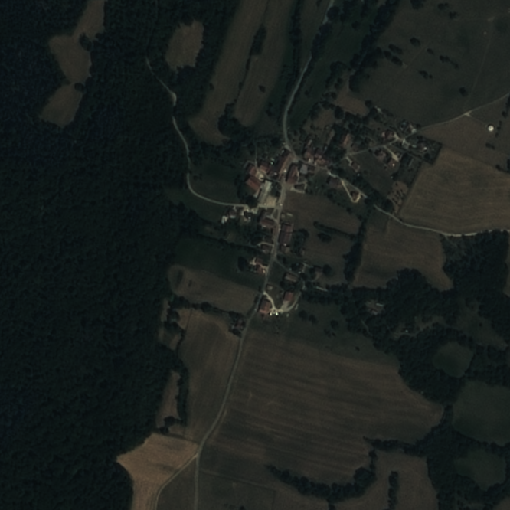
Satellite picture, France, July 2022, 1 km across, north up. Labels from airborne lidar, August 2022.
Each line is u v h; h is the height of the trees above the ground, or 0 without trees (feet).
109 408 78
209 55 91
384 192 0
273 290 0
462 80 0
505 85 0
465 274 53
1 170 54
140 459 0
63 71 33
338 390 0
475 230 0
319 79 0
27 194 54
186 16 85
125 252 77
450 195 0
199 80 64
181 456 0
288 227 0
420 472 0
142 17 51
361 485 43
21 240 71
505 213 0
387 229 0
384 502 0
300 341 0
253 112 0
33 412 54
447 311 30
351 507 0
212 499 0
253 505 0
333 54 0
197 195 0
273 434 0
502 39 0
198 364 0
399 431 0
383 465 0
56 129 60
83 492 62
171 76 70
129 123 35
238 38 0
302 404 0
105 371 89
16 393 70
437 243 0
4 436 81
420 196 0
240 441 0
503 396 0
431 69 0
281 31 0
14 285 56
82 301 75
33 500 76
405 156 35
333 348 0
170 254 85
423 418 0
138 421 68
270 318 0
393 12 51
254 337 0
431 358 46
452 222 0
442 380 51
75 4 30
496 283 56
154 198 73
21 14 68
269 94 0
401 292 54
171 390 0
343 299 51
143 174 39
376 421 0
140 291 71
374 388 0
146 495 0
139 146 30
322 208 0
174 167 33
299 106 0
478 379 32
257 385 0
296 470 0
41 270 55
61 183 66
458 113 0
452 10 0
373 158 0
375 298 41
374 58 58
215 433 0
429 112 0
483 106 0
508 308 43
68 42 0
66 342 72
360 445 0
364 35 0
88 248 65
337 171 37
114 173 56
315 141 20
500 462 0
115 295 93
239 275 0
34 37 60
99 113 94
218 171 0
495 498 40
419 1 44
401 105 0
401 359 46
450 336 38
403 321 25
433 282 0
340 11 41
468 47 0
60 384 60
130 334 89
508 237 39
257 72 0
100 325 90
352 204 0
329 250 0
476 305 0
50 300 57
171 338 0
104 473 73
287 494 0
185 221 67
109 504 81
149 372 68
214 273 0
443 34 0
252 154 28
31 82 92
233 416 0
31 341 61
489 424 0
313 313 0
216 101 0
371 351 0
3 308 54
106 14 35
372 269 0
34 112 84
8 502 78
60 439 93
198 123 0
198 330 0
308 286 47
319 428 0
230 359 0
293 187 0
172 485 0
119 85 21
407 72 0
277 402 0
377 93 0
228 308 0
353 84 49
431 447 46
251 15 0
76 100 0
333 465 0
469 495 25
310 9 0
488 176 0
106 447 74
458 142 0
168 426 23
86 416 82
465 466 0
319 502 0
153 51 67
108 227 55
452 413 42
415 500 0
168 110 34
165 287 80
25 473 61
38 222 61
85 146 70
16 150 80
